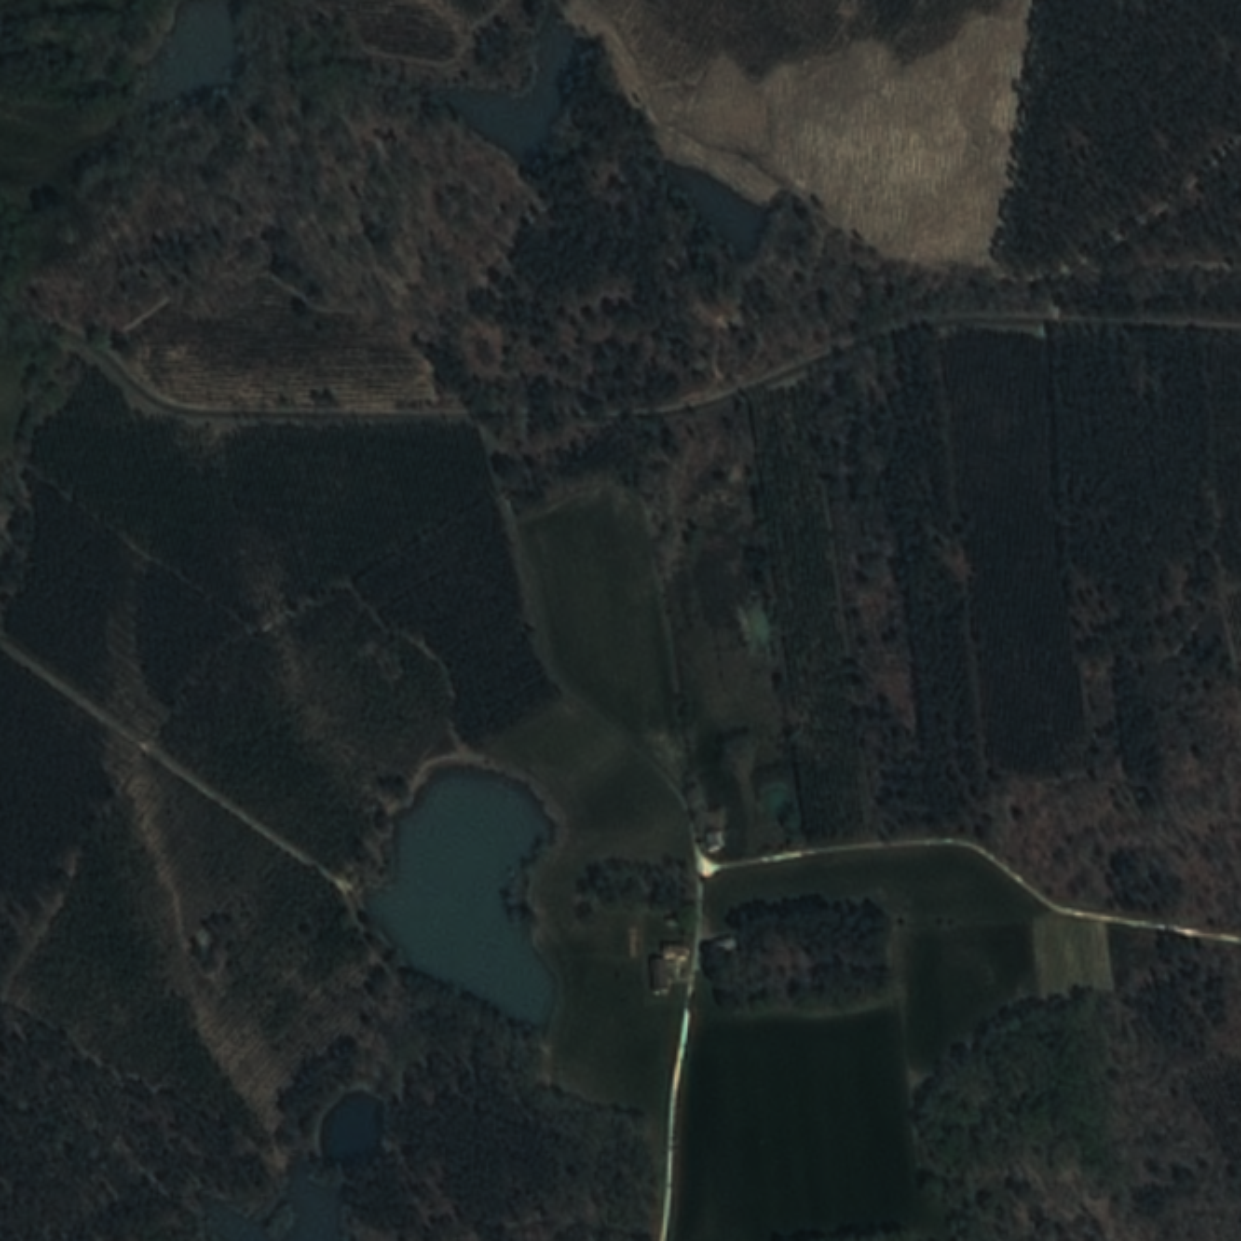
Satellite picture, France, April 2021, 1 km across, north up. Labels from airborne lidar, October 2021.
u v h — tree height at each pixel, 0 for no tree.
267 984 7
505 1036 20
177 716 17
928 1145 21
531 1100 16
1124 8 18
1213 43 22
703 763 0
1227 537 11
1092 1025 19
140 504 12
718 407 0
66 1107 16
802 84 0
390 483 10
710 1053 0
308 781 12
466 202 18
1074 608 16
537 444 15
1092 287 19
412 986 18
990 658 9
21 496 14
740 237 0
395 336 25
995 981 0
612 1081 0
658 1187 19
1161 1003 13
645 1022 0
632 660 0
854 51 0
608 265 20
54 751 14
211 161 6
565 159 16
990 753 9
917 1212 0
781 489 9
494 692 16
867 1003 20
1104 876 9
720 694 0
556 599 0
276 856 7
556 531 0
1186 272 9
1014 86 0
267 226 9
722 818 13
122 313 6
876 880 0
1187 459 17
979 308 12
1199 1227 13
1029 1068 23
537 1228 8
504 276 11
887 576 10
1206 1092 10
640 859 0
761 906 0
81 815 15
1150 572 21
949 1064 0
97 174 22
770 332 9
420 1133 19
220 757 11
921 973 0
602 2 0
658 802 0
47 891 13
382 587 15
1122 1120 16
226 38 0
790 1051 0
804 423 7
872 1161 0
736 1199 0
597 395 17
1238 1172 11
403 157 22
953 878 0
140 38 24
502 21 0
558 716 0
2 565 12
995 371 9
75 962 9
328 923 13
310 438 11
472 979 0
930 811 19
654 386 16
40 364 20
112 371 0
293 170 12
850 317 10
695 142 0
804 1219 0
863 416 17
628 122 23
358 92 18
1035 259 23
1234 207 21
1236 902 12
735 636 0
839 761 9
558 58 0
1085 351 17
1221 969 7
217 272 12
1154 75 19
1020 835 10
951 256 0
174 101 0
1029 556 10
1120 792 13
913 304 9
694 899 11
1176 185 21
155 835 0
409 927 0
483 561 18
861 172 0
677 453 15
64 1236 17
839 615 9
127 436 11
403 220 21
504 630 16
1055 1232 24
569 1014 0
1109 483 18
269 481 12
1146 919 17
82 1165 19
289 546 12
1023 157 19
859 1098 0
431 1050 20
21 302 13
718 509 0
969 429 9
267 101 21
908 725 13
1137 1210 15
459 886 0
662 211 27
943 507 19
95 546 14
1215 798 15
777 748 0
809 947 21
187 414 0
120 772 0
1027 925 0
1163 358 17
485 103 0
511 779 0
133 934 8
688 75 0
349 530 11
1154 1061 12
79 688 11
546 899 0
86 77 21
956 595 17
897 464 19
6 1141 21
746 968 12
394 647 12
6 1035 19
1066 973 0
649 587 0
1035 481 9
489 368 15
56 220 25
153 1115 18
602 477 19
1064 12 19
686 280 7
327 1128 0
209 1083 11
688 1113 0
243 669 10
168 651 12
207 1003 0
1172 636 16
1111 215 18
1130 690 15
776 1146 0
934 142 0
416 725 6
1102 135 21
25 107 16
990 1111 17
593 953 0
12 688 13
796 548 10
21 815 15
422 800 0
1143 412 18
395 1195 22
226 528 13
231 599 12
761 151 0
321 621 9
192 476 11
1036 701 8
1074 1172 10
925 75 0
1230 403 13
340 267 20
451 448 11
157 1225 24
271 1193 19
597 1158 21
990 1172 23
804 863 0
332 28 17
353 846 10
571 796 0
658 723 0
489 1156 19
